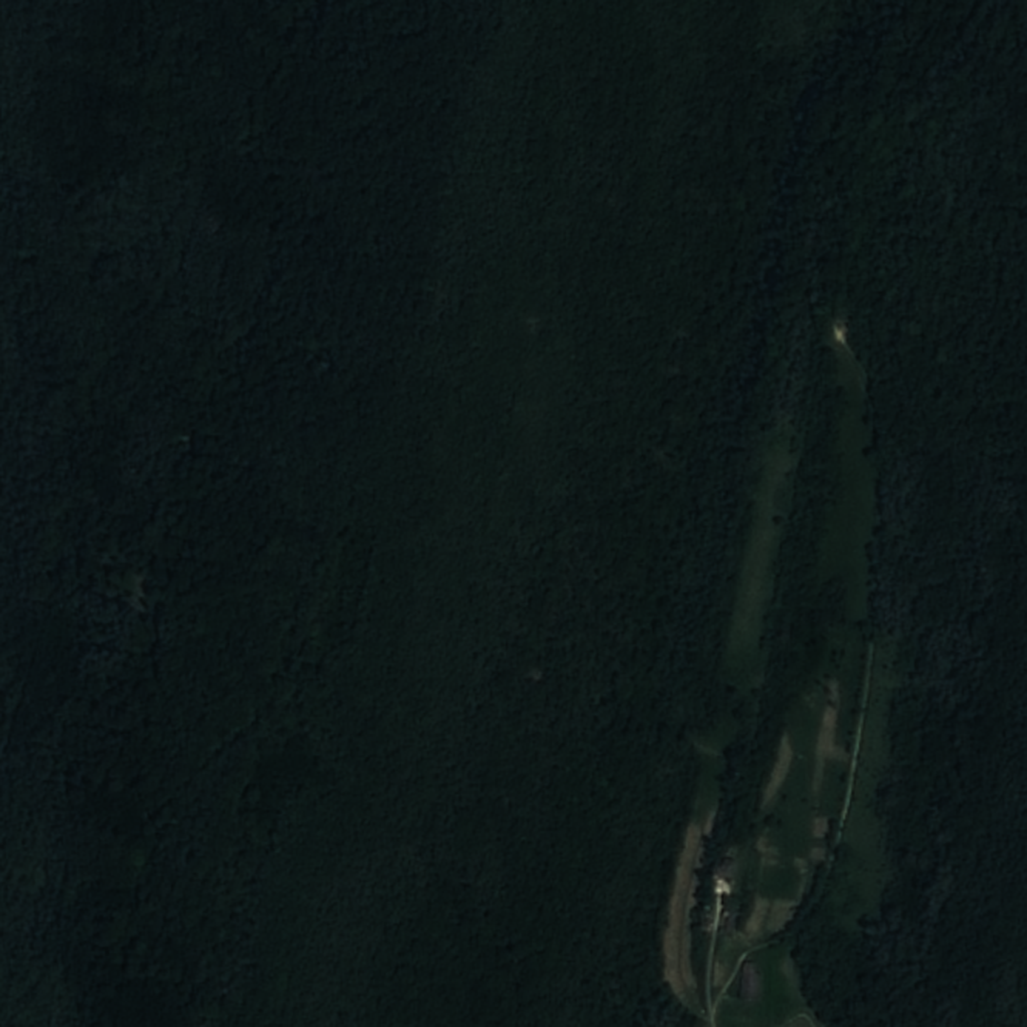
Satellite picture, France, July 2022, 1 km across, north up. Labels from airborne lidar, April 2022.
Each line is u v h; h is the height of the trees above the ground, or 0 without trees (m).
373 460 18
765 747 14
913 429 18
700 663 13
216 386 20
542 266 13
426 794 9
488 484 6
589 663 21
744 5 17
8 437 17
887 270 15
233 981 22
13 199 15
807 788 0
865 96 22
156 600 22
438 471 7
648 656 11
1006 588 17
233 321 25
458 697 6
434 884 15
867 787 0
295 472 24
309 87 23
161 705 25
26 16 22
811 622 10
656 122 13
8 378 21
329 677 16
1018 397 18
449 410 12
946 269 19
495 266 12
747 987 0
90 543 17
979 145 19
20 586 15
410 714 7
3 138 12
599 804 20
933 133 14
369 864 9
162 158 25
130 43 19
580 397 13
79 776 22
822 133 24
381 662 13
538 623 17
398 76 27
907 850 10
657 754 10
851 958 12
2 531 8
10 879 10
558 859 20
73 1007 7
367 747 15
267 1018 18
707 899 11
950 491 15
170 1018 20
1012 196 28
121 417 25
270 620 22
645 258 17
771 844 0
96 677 23
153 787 23
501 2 16
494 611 8
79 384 26
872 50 26
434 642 8
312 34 23
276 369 23
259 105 24
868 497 0
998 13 22
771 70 25
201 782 22
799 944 10
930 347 14
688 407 10
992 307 20
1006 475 13
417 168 22
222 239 21
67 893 15
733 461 12
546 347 8
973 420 17
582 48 13
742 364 12
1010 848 10
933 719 15
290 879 15
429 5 22
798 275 18
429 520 11
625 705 30
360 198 24
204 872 25
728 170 15
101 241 30
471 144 10
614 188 15
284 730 17
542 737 20
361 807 14
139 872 21
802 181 22
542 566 16
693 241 16
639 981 23
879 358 12
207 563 26
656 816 12
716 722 17
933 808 15
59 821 12
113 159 17
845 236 19
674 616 14
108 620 33
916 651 6
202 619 24
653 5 10
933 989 18
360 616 12
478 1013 20
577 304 12
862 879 0
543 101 15
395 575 11
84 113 18
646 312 11
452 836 14
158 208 25
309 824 14
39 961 14
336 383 28
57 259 26
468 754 13
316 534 20
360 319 23
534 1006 16
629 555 11
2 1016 8
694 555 7
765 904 0
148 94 16
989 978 11
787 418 9
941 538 16
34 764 25
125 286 29
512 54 11
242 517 27
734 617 10
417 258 19
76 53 24
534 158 14
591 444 9
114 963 18
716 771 0
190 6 20
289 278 29
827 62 20
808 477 11
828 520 14
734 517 11
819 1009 13
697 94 10
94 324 27
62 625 18
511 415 15
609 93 15
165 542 23
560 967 14
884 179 19
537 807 18
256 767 10
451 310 12
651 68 15
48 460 25
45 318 24
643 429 21
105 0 17
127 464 19
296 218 29
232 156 23
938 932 20
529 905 18
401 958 15
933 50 12
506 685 19
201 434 21
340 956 8
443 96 16
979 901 10
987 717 20
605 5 16
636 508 20
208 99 25
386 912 10
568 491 13
